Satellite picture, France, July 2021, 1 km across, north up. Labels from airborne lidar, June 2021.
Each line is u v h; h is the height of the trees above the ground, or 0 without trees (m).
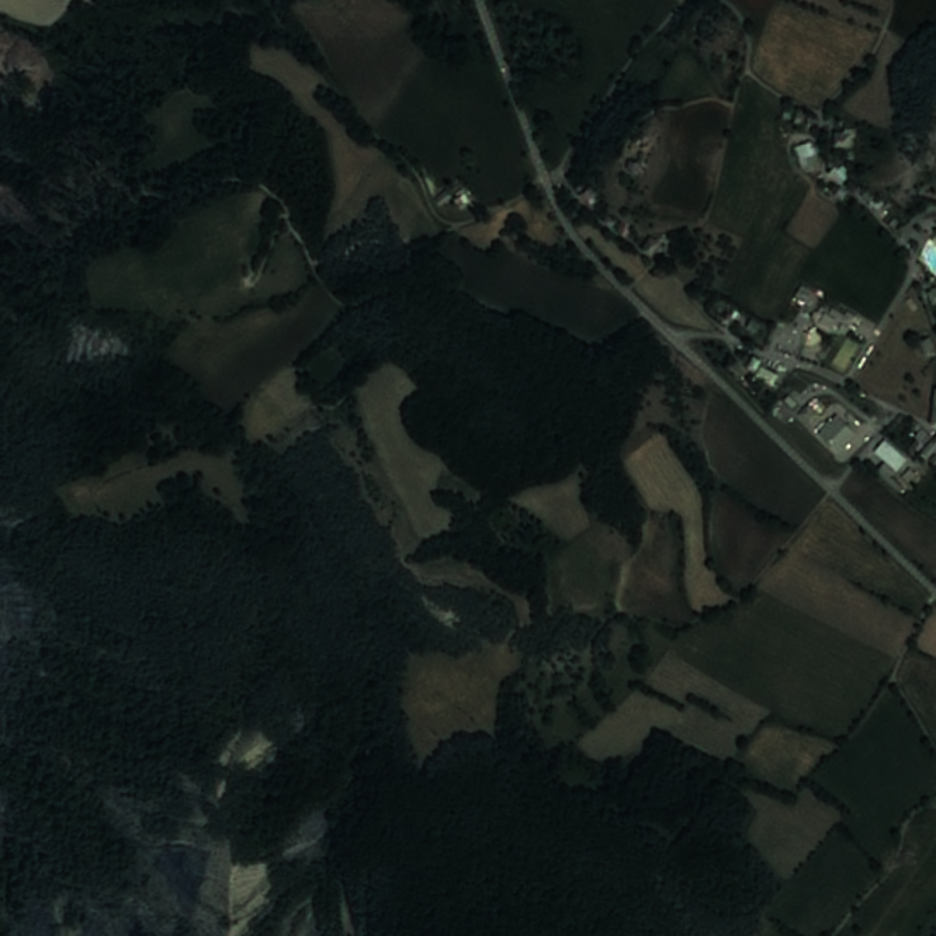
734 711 0
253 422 0
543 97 0
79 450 13
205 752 12
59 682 7
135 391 18
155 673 6
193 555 7
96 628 11
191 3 15
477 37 9
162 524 7
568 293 0
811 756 0
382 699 11
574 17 0
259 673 13
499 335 20
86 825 11
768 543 0
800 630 0
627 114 14
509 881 19
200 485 14
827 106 9
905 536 0
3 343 10
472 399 24
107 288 0
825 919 0
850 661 0
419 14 7
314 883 11
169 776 6
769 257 0
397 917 14
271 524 20
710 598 0
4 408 16
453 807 12
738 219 0
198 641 11
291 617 16
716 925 9
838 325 0
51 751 9
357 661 11
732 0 0
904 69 11
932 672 0
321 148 6
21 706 9
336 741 11
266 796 8
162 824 9
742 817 14
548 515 0
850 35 0
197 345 0
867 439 0
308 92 0
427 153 0
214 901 0
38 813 11
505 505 12
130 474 0
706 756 17
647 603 0
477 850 17
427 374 16
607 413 22
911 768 0
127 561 8
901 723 0
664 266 18
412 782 24
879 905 0
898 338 0
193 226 0
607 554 0
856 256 0
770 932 0
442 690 0
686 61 0
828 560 0
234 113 8
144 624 8
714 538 0
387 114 0
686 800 18
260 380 0
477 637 9
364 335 10
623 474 11
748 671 0
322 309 0
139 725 13
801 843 0
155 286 0
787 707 0
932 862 0
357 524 10
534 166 0
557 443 26
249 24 18
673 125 0
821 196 0
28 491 7
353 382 16
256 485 25
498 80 0
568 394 29
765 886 11
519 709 14
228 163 8
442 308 18
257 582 8
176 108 0
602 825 23
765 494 0
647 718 0
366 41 0
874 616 0
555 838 15
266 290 0
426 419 24
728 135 8
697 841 11
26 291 12
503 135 0
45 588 7
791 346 0
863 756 0
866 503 0
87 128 20
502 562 23
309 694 14
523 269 0
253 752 0
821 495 0
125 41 8
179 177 23
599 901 17
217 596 7
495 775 15
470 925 24
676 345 0
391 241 15
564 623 11
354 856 22
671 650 0
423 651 11
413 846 15
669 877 15
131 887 6
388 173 0
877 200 7
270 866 8
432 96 0
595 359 30
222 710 11
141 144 21
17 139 9
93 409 20
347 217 0
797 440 0
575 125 0
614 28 0
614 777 22
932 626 0
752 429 0
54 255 7
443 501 14
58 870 8
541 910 26
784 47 0
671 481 0
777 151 0
